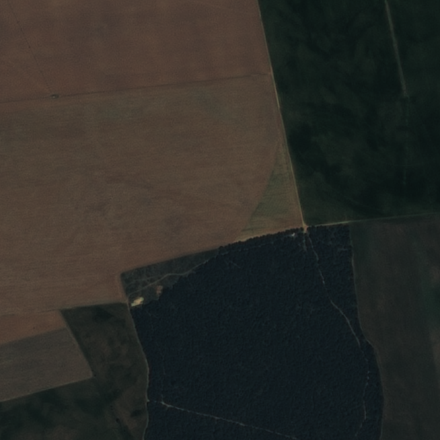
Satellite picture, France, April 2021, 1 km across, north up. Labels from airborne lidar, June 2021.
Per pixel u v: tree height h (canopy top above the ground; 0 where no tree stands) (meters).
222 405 6
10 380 0
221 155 0
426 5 0
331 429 6
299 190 0
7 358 0
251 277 6
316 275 6
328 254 6
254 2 0
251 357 7
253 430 7
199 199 0
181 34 0
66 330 0
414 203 0
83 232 0
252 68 0
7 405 0
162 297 5
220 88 0
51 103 0
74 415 0
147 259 0
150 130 0
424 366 0
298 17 0
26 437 0
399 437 0
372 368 8
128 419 0
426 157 0
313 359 6
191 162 0
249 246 6
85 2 0
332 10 0
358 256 0
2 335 0
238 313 6
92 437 0
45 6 0
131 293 0
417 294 0
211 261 7
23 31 0
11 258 0
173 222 0
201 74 0
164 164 0
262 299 6
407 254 0
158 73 0
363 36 0
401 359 0
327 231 6
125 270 0
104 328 0
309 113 0
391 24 0
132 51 0
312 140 0
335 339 6
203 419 6
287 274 6
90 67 0
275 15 0
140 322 6
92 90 0
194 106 0
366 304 0
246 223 0
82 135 0
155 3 0
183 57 0
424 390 0
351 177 0
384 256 0
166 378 5
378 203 0
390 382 0
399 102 0
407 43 0
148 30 0
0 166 0
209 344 6
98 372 0
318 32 0
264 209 0
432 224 0
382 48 0
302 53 0
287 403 6
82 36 0
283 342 7
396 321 0
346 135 0
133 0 0
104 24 0
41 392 0
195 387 6
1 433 0
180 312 6
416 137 0
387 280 0
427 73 0
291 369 6
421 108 0
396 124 0
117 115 0
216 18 0
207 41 0
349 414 7
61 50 0
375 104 0
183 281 6
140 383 0
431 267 0
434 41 0
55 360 0
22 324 0
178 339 6
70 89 0
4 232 0
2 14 0
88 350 0
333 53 0
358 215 0
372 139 0
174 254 0
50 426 0
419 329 0
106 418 0
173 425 5
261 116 0
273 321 6
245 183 0
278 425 7
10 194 0
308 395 6
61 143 0
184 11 0
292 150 0
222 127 0
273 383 6
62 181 0
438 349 0
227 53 0
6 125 0
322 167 0
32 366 0
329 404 6
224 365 6
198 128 0
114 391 0
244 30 0
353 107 0
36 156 0
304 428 6
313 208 0
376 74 0
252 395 6
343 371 6
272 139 0
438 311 0
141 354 0
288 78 0
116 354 0
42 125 0
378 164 0
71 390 0
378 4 0
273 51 0
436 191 0
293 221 0
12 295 0
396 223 0
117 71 0
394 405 0
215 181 0
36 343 0
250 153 0
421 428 0
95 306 0
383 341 0
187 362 6
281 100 0
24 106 0
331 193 0
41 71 0
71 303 0
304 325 6
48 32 0
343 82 0
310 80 0
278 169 0
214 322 6
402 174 0
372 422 6
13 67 0
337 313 6
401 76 0
